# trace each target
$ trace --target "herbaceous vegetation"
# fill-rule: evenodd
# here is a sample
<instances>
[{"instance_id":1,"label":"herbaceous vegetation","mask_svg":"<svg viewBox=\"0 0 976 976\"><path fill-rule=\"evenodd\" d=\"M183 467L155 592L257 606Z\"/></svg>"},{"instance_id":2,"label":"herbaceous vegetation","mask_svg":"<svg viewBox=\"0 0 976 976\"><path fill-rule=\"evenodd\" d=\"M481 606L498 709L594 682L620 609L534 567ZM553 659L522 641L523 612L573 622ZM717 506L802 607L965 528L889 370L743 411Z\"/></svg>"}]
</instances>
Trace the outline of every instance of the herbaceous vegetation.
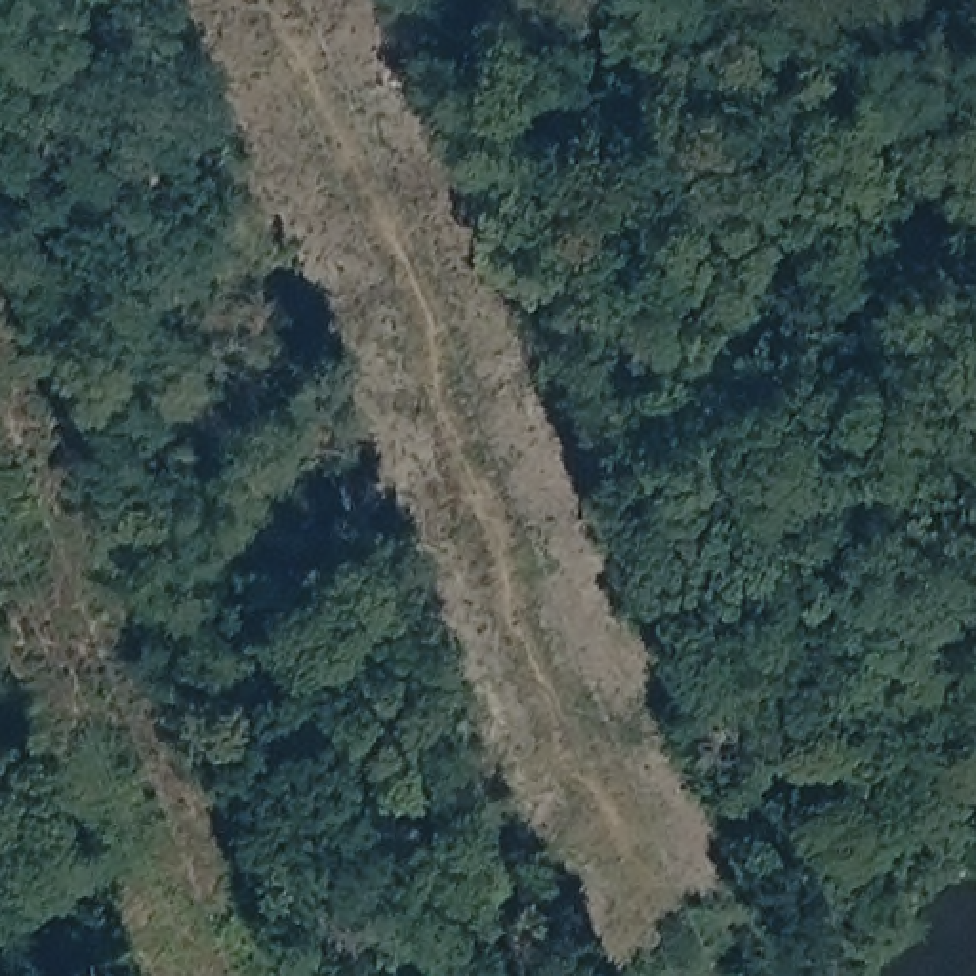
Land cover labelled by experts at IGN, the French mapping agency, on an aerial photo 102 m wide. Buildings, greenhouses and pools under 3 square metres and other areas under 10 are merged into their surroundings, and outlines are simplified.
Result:
<instances>
[{"instance_id":1,"label":"herbaceous vegetation","mask_svg":"<svg viewBox=\"0 0 976 976\"><path fill-rule=\"evenodd\" d=\"M717 355L709 377L698 377L682 408L675 408L671 416L648 416L637 431L621 431L610 442L602 438L587 450L580 446L576 423L564 412L568 393L549 389L541 400L545 419L560 438L560 458L580 499L606 480L652 477L660 469L682 473L686 454L698 450L713 431L736 427L751 408L770 412L778 397L793 397L797 370L785 370L778 362L782 355L797 355L801 343L793 336L782 336L782 316L751 324L743 336L728 343L728 351Z\"/></svg>"},{"instance_id":2,"label":"herbaceous vegetation","mask_svg":"<svg viewBox=\"0 0 976 976\"><path fill-rule=\"evenodd\" d=\"M835 126L854 130L858 103L869 95L877 57L911 53L919 42L930 38L930 31L946 34L949 53L976 53L976 0L926 0L919 19L881 23L873 31L839 27L839 34L846 34L858 50L850 53L850 65L835 76L835 95L793 114L789 156L801 156L801 137L816 122L835 118Z\"/></svg>"},{"instance_id":3,"label":"herbaceous vegetation","mask_svg":"<svg viewBox=\"0 0 976 976\"><path fill-rule=\"evenodd\" d=\"M34 934L38 976L240 976L233 961L259 946L267 923L240 904L229 881L221 831L202 808L206 793L191 793L187 763L168 755L168 743L153 728L153 705L145 690L130 679L130 667L141 660L145 625L133 621L133 602L118 595L111 583L111 557L99 549L99 526L76 515L76 499L61 484L65 465L92 461L92 446L72 423L69 400L53 393L65 358L53 358L50 374L34 381L19 343L11 339L15 328L23 328L23 316L0 297L0 751L27 736L31 755L57 755L57 770L65 774L65 782L53 785L42 797L42 804L53 804L57 812L72 812L84 820L84 831L76 831L76 854L95 865L103 888L122 888L118 911L126 934L103 938L72 915L53 919Z\"/></svg>"},{"instance_id":4,"label":"herbaceous vegetation","mask_svg":"<svg viewBox=\"0 0 976 976\"><path fill-rule=\"evenodd\" d=\"M38 229L23 214L61 198L65 183L38 175L19 198L8 198L0 191L0 240L11 229L19 229L23 236L38 240Z\"/></svg>"},{"instance_id":5,"label":"herbaceous vegetation","mask_svg":"<svg viewBox=\"0 0 976 976\"><path fill-rule=\"evenodd\" d=\"M545 839L538 839L534 827L519 816L499 827L503 869L530 865L530 854L545 846Z\"/></svg>"},{"instance_id":6,"label":"herbaceous vegetation","mask_svg":"<svg viewBox=\"0 0 976 976\"><path fill-rule=\"evenodd\" d=\"M225 400L210 404L194 423L183 423L191 431L194 477L221 477L221 450L229 431L267 423L271 408L286 408L294 393L301 393L316 374L324 374L324 362L339 362L347 355L339 332L332 328L328 290L301 275L271 271L267 278L244 275L236 282L210 282L202 301L172 309L175 320L225 332L225 343L214 343L206 351L206 358L214 362L210 374L225 377Z\"/></svg>"},{"instance_id":7,"label":"herbaceous vegetation","mask_svg":"<svg viewBox=\"0 0 976 976\"><path fill-rule=\"evenodd\" d=\"M511 793L499 751L480 736L473 736L465 751L477 759L488 797L503 801Z\"/></svg>"},{"instance_id":8,"label":"herbaceous vegetation","mask_svg":"<svg viewBox=\"0 0 976 976\"><path fill-rule=\"evenodd\" d=\"M911 221L896 225L896 244L949 259L953 252L946 214L938 214L930 202L919 202Z\"/></svg>"},{"instance_id":9,"label":"herbaceous vegetation","mask_svg":"<svg viewBox=\"0 0 976 976\"><path fill-rule=\"evenodd\" d=\"M355 465L347 465L343 458L316 458L316 469L305 473L297 488L271 507L271 522L236 557L236 564L240 572L267 572L282 583L305 580L309 572L336 576L347 564L332 545L332 538L339 538L343 526L355 522L385 538L416 534L412 515L397 503L397 488L377 488L381 458L374 442L362 442Z\"/></svg>"},{"instance_id":10,"label":"herbaceous vegetation","mask_svg":"<svg viewBox=\"0 0 976 976\"><path fill-rule=\"evenodd\" d=\"M95 53L126 53L130 31L114 31L111 8L95 4L88 23L88 46Z\"/></svg>"},{"instance_id":11,"label":"herbaceous vegetation","mask_svg":"<svg viewBox=\"0 0 976 976\"><path fill-rule=\"evenodd\" d=\"M316 915L316 930L336 942L336 949L366 949L362 930L347 930L336 915Z\"/></svg>"},{"instance_id":12,"label":"herbaceous vegetation","mask_svg":"<svg viewBox=\"0 0 976 976\"><path fill-rule=\"evenodd\" d=\"M435 835L450 835L461 812L442 808L431 816L397 816L389 831L377 839L381 854L408 858L416 850L427 850Z\"/></svg>"},{"instance_id":13,"label":"herbaceous vegetation","mask_svg":"<svg viewBox=\"0 0 976 976\"><path fill-rule=\"evenodd\" d=\"M431 34L412 38L408 50L381 38L381 61L400 80L408 61L416 57L461 61L473 50L473 27L484 23L496 31L496 42L522 46L530 57L541 57L545 50L568 50L591 57L591 103L583 111L549 111L534 118L526 130L530 160L541 156L545 145L568 145L583 133L606 130L629 137L644 126L641 103L663 92L667 76L641 72L629 61L606 65L602 31L610 19L610 0L591 0L587 38L576 38L568 23L534 23L530 11L515 8L515 0L442 0L438 27Z\"/></svg>"}]
</instances>

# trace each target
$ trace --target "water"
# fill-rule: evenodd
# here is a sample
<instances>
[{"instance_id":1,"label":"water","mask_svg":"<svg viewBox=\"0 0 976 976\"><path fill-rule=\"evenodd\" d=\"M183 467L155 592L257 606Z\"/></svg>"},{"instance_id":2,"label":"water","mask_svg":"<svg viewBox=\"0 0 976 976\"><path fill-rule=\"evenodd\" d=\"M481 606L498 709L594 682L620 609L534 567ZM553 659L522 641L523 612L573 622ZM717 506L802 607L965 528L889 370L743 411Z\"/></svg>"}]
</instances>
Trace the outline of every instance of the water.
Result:
<instances>
[{"instance_id":1,"label":"water","mask_svg":"<svg viewBox=\"0 0 976 976\"><path fill-rule=\"evenodd\" d=\"M885 976L976 976L976 885L961 881L946 888L930 904L926 942L911 946L900 961L892 961Z\"/></svg>"}]
</instances>

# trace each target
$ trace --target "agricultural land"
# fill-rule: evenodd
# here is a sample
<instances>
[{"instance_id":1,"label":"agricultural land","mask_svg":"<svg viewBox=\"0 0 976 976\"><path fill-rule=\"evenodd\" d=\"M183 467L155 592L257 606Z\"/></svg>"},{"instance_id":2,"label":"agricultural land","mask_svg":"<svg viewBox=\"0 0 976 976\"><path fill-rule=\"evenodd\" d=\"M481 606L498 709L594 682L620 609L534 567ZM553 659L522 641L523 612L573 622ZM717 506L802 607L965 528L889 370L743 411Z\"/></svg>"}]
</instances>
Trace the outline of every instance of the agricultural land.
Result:
<instances>
[{"instance_id":1,"label":"agricultural land","mask_svg":"<svg viewBox=\"0 0 976 976\"><path fill-rule=\"evenodd\" d=\"M248 141L248 191L271 217L275 244L297 236L301 275L328 290L332 328L339 332L347 355L358 358L355 412L366 419L374 442L381 458L377 488L397 488L397 503L412 515L416 534L419 553L427 553L438 564L442 618L450 633L461 637L465 679L473 682L473 694L488 705L480 736L499 751L511 793L519 816L534 827L538 839L545 839L545 846L583 881L591 926L614 965L629 961L633 949L656 946L656 919L675 911L679 900L686 900L690 911L736 907L732 888L717 877L709 862L713 827L705 820L705 808L682 789L682 778L671 770L671 759L663 755L660 724L652 721L656 709L671 702L671 694L663 679L648 679L644 641L629 629L629 621L610 614L606 595L599 591L602 553L587 545L595 538L591 526L580 530L580 522L591 511L580 499L560 458L560 438L545 419L541 400L530 389L519 328L511 324L507 309L492 297L492 267L465 259L473 244L469 229L458 225L450 214L450 187L442 179L446 164L435 156L427 122L404 103L400 80L381 61L381 38L370 0L187 0L191 19L202 31L206 53L225 69L229 80L225 99Z\"/></svg>"}]
</instances>

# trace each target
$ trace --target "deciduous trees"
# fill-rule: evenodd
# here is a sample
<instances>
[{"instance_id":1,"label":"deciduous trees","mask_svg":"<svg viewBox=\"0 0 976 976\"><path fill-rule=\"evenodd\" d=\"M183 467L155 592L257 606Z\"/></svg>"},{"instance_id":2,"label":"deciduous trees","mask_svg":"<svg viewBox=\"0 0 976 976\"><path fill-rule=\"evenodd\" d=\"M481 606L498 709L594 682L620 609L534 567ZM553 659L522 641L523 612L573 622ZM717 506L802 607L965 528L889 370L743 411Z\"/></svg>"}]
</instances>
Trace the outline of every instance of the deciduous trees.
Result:
<instances>
[{"instance_id":1,"label":"deciduous trees","mask_svg":"<svg viewBox=\"0 0 976 976\"><path fill-rule=\"evenodd\" d=\"M412 38L431 34L438 27L442 0L370 0L381 38L408 50Z\"/></svg>"},{"instance_id":2,"label":"deciduous trees","mask_svg":"<svg viewBox=\"0 0 976 976\"><path fill-rule=\"evenodd\" d=\"M53 919L72 915L103 938L126 934L118 911L122 888L103 888L95 865L76 854L76 831L84 831L84 820L72 812L57 812L53 804L42 804L42 797L53 785L65 782L65 774L57 770L57 755L31 755L27 736L0 751L0 976L38 976L34 934Z\"/></svg>"},{"instance_id":3,"label":"deciduous trees","mask_svg":"<svg viewBox=\"0 0 976 976\"><path fill-rule=\"evenodd\" d=\"M95 4L111 8L114 31L130 31L126 53L95 53L88 46L88 23ZM450 214L458 225L469 229L473 244L465 259L492 267L492 297L507 309L511 324L519 328L530 389L541 400L549 389L568 393L564 412L576 423L580 446L587 450L602 438L610 442L621 431L637 431L648 416L671 416L675 408L682 408L698 377L709 377L717 355L728 351L728 343L743 336L751 324L782 316L782 336L793 336L801 343L797 355L782 355L778 362L785 370L797 370L793 397L778 397L770 412L751 408L736 427L713 431L698 450L686 454L682 473L660 469L652 477L606 480L580 499L591 511L580 522L580 530L591 526L595 538L587 545L602 553L599 591L606 595L610 614L629 621L629 629L644 641L648 679L663 679L671 694L671 702L656 709L652 721L660 724L663 755L671 759L671 770L682 778L682 789L705 808L705 820L713 827L709 862L717 877L732 888L736 907L690 911L686 900L679 900L675 911L656 919L656 946L633 949L629 961L614 965L591 926L583 881L545 846L530 854L530 865L503 869L499 827L519 816L511 793L503 801L488 797L477 759L465 751L473 736L480 736L488 705L473 694L473 682L465 679L461 637L450 633L442 618L438 564L427 553L419 553L416 534L385 538L355 522L343 526L339 538L332 538L332 545L347 564L336 576L309 572L305 580L282 583L267 572L240 572L236 564L236 557L271 522L271 507L297 488L305 473L316 469L316 458L343 458L347 465L355 465L362 442L374 442L366 419L355 412L358 358L347 355L339 362L324 362L324 374L316 374L301 393L294 393L286 408L271 408L267 423L229 431L221 450L221 477L194 477L191 431L183 423L194 423L210 404L225 400L225 377L210 374L214 362L206 358L206 351L214 343L225 343L225 332L175 320L172 309L202 301L210 282L236 282L244 275L267 278L271 271L301 275L297 236L275 244L271 217L248 191L248 141L225 99L229 80L225 69L206 53L202 31L191 19L187 0L0 0L0 191L8 198L19 198L38 175L65 183L61 198L23 214L38 229L38 240L23 236L19 229L11 229L0 240L0 297L23 316L23 328L15 328L11 339L19 343L34 381L50 374L53 358L65 358L53 393L69 400L72 423L92 446L92 461L65 465L61 484L76 499L76 515L99 526L99 549L111 557L111 583L118 595L133 602L133 621L145 625L141 660L130 667L130 679L145 690L153 705L153 728L168 743L168 755L187 763L191 793L206 793L202 808L221 831L229 881L240 904L267 923L259 946L233 961L240 976L885 976L892 961L900 961L911 946L926 942L930 904L946 888L961 881L976 885L976 53L949 53L946 34L930 31L930 38L919 42L911 53L877 57L869 95L858 103L854 130L835 126L835 118L816 122L801 137L801 156L789 156L793 114L835 95L835 76L850 65L850 53L858 50L846 34L839 34L839 27L873 31L881 23L919 19L926 0L610 0L610 19L602 31L606 65L629 61L641 72L667 76L663 92L641 103L644 126L629 137L606 130L583 133L568 145L545 145L541 156L530 160L526 130L534 118L549 111L583 111L591 103L591 57L568 50L545 50L541 57L530 57L522 46L496 42L496 31L484 23L473 27L473 50L461 61L416 57L408 61L400 80L404 103L427 122L435 156L446 164L442 179L450 187ZM953 252L949 259L896 244L896 225L911 221L919 202L930 202L938 214L946 214ZM377 839L389 831L397 816L431 816L442 808L461 812L450 835L435 835L427 850L416 850L408 858L381 854ZM362 930L366 949L336 949L336 942L316 930L316 915L336 915L347 930Z\"/></svg>"},{"instance_id":4,"label":"deciduous trees","mask_svg":"<svg viewBox=\"0 0 976 976\"><path fill-rule=\"evenodd\" d=\"M568 23L576 38L587 38L591 0L515 0L515 8L530 11L534 23Z\"/></svg>"}]
</instances>

